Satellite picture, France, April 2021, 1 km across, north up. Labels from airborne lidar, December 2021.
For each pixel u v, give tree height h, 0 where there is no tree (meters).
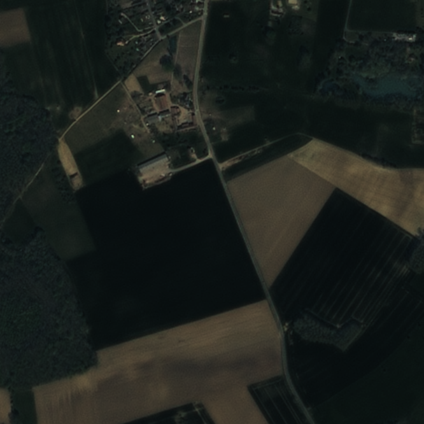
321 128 0
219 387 0
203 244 0
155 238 0
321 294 0
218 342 0
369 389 0
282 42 0
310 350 0
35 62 0
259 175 0
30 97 12
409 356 0
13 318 19
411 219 0
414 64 0
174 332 0
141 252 0
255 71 0
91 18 0
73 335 22
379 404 0
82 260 0
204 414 0
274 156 0
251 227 0
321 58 0
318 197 0
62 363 22
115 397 0
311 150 0
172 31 0
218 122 0
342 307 0
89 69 0
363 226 0
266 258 0
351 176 0
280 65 0
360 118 0
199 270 0
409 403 0
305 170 0
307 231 0
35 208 0
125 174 0
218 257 0
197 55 0
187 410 0
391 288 0
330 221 0
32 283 16
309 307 0
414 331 0
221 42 0
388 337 0
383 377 0
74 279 0
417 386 0
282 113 0
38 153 24
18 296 17
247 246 0
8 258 9
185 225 0
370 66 24
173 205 0
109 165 0
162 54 0
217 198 0
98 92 0
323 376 0
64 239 0
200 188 0
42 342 16
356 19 0
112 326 0
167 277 0
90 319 0
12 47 0
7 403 0
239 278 0
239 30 0
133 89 0
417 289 0
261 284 0
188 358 0
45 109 11
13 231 0
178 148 0
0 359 20
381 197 0
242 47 0
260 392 0
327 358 0
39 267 17
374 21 0
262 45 0
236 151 0
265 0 0
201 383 0
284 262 0
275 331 0
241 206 0
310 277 0
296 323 17
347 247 0
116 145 0
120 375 0
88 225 0
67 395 0
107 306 0
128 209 0
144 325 0
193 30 0
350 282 0
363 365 0
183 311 0
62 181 6
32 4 0
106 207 0
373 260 0
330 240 0
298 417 0
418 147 0
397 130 0
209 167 0
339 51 15
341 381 0
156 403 0
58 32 0
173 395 0
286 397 0
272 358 0
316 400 0
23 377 20
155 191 0
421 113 0
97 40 0
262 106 0
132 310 0
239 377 0
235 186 0
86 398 0
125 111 0
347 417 0
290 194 0
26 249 23
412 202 0
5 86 20
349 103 28
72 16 0
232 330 0
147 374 0
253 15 0
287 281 0
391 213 0
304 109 0
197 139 0
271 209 0
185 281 0
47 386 0
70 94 0
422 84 16
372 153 0
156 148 0
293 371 0
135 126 0
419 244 27
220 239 0
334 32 0
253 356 0
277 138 0
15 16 0
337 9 0
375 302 0
